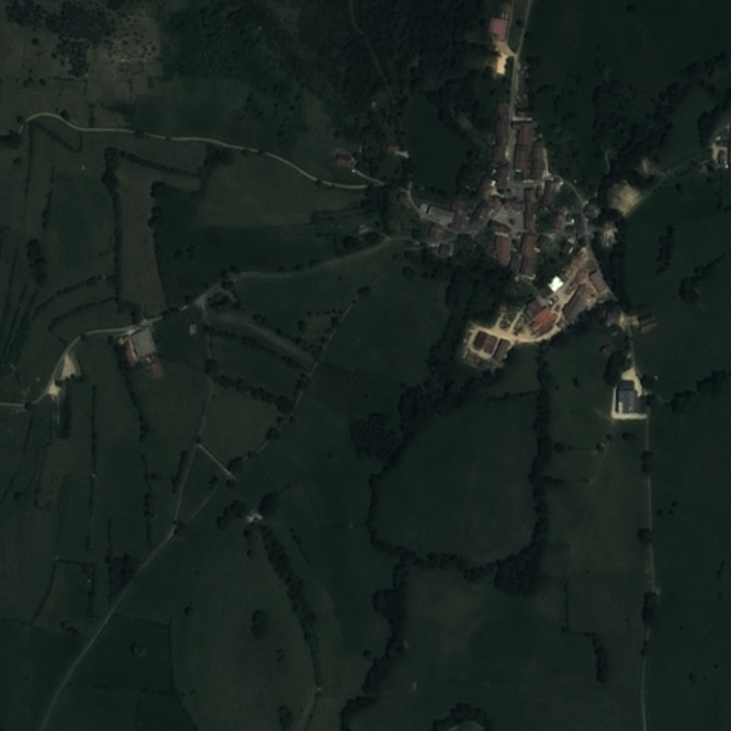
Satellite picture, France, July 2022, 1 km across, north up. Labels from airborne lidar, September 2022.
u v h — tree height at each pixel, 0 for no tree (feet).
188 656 0
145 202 0
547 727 0
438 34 22
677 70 0
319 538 0
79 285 21
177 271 0
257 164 0
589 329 89
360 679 0
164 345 0
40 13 29
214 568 0
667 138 50
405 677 0
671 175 0
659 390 0
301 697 0
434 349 29
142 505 0
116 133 0
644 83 0
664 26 0
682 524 0
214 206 0
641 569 0
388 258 0
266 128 0
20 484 0
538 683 0
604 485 0
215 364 54
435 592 0
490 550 0
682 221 0
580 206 0
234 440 0
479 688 0
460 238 32
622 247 63
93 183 0
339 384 0
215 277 0
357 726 0
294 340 34
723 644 0
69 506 0
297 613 41
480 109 62
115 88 0
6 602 0
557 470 0
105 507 0
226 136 0
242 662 0
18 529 0
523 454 0
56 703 0
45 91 0
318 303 0
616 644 0
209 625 0
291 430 0
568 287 0
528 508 0
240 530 0
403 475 0
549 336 0
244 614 0
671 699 0
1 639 0
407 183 51
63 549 0
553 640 0
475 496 0
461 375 0
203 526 0
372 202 58
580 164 19
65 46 22
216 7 24
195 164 0
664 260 32
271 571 0
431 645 0
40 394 0
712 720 0
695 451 0
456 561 60
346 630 0
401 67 36
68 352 0
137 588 0
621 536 0
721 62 76
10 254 0
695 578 0
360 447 30
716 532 0
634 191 0
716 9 0
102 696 0
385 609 66
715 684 0
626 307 54
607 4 0
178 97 0
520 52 0
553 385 64
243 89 0
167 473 0
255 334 0
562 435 0
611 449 0
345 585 0
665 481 0
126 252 0
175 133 0
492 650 0
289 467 0
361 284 0
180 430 0
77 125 0
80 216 0
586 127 0
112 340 33
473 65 0
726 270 0
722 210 24
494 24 0
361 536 0
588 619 0
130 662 0
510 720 0
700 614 0
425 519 0
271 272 0
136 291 0
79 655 0
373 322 0
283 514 0
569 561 0
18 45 0
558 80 0
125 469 0
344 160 0
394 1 31
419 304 0
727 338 0
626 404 0
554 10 0
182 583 0
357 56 29
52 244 0
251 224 0
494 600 0
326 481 0
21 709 0
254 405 0
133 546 0
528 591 59
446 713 0
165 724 0
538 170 0
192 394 0
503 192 23
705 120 50
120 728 0
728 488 0
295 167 0
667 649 0
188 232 0
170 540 0
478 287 58
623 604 0
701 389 52
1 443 0
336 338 0
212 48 20
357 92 24
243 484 0
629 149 44
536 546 55
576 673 0
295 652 0
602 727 0
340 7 24
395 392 0
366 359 0
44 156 0
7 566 0
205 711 0
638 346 0
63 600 0
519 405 0
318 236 25
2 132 0
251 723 0
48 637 0
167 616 0
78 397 0
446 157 0
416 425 100
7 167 0
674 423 0
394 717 0
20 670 0
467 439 0
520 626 0
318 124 0
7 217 0
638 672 0
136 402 31
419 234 40
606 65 29
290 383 0
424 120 0
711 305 0
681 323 0
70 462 0
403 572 69
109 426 0
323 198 0
